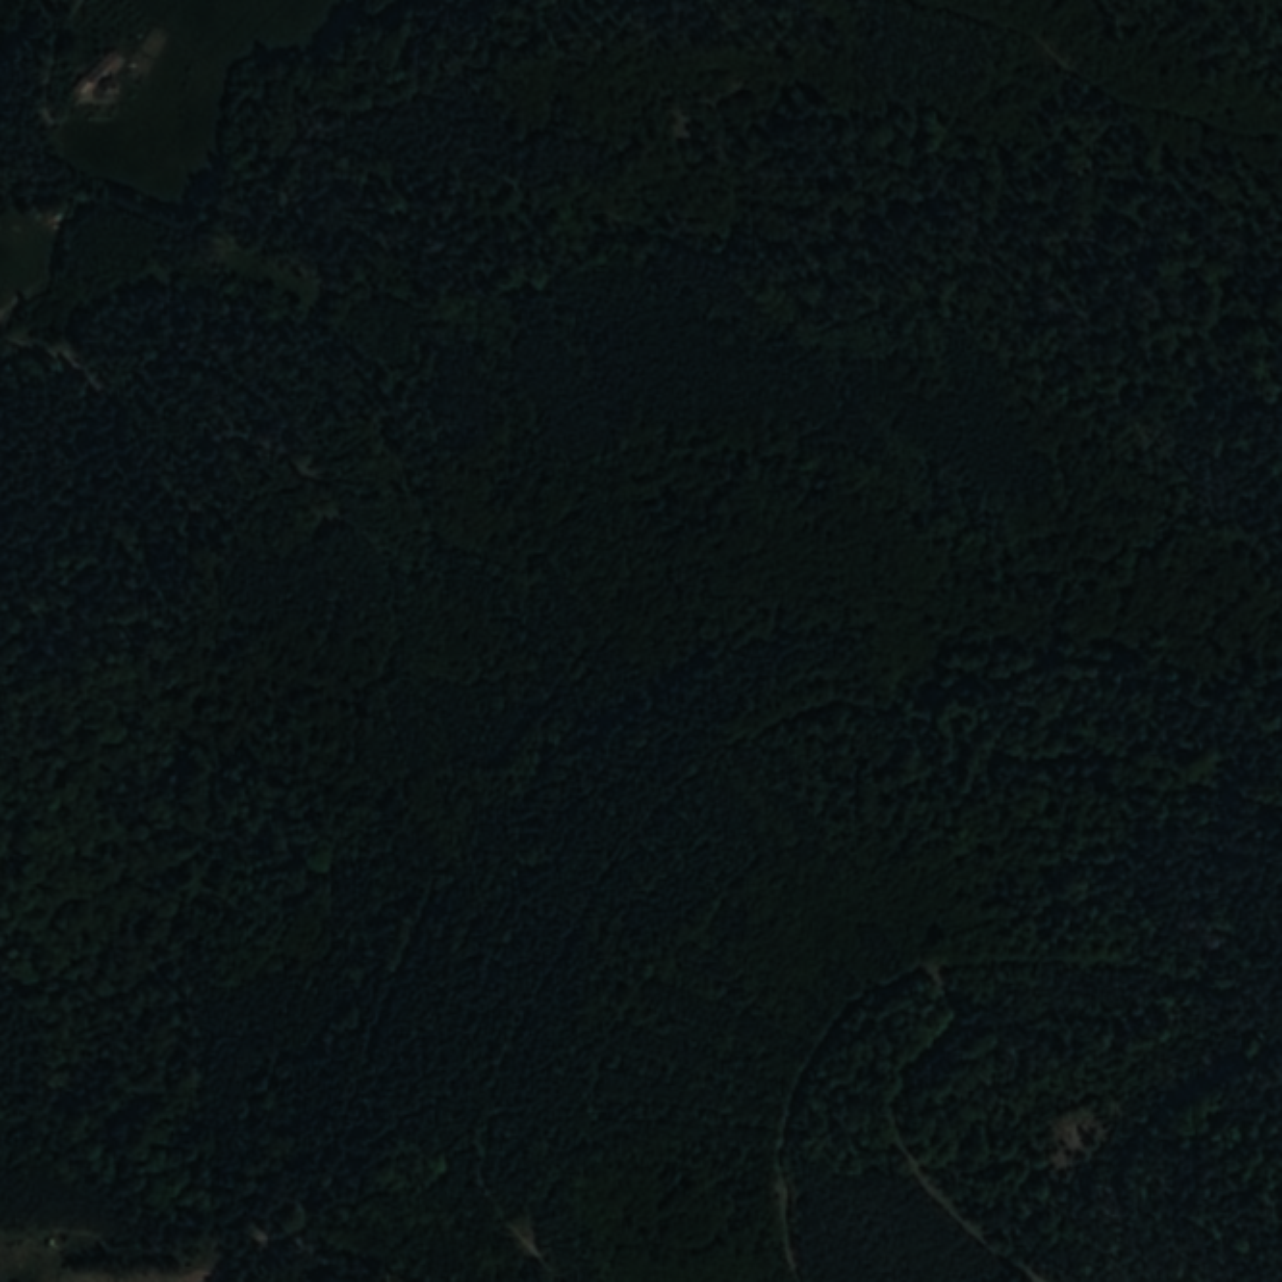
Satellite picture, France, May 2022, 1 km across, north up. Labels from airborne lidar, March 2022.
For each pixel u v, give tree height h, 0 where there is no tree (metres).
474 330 16
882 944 18
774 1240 13
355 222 19
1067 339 28
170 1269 24
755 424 21
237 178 21
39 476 36
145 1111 34
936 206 35
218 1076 23
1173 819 30
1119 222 39
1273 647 19
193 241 32
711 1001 13
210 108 0
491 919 23
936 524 33
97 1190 21
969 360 19
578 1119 18
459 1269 14
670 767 25
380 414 9
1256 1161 13
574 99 15
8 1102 28
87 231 16
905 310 14
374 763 16
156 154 0
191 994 18
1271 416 35
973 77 25
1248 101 18
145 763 37
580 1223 21
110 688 35
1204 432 31
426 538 12
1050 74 17
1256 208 17
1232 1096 28
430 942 26
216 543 40
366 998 25
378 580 16
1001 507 23
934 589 20
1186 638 20
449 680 16
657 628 15
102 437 32
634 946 21
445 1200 16
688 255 31
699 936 11
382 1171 22
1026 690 30
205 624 14
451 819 21
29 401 26
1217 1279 25
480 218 18
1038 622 18
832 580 23
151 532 34
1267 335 36
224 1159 23
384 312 19
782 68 11
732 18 34
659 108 11
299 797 22
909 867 21
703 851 22
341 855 13
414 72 22
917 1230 15
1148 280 42
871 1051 29
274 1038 21
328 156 25
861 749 16
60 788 30
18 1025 25
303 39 0
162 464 26
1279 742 35
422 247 25
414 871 23
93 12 0
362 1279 38
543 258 41
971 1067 28
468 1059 18
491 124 25
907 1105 15
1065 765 20
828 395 19
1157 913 35
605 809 24
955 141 16
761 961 18
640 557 12
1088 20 18
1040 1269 19
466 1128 20
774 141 23
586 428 24
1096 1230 25
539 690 17
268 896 31
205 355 27
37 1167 22
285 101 22
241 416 7
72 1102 37
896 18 23
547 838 27
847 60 20
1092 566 23
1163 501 9
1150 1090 8
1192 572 18
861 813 27
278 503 18
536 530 15
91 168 0
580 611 16
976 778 17
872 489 24
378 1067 22
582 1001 25
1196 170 38
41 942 29
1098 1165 12
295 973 19
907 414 16
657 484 19
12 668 31
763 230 25
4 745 32
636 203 17
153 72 0
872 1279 14
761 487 23
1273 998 29
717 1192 12
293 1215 22
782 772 15
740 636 27
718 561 22
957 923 14
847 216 37
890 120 30
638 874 21
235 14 0
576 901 23
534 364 22
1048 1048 31
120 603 35
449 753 15
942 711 30
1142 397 27
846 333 19
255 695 11
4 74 25
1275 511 28
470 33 31
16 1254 0
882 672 15
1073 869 32
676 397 22
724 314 15
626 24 35
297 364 10
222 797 29
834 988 13
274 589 24
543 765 33
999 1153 24
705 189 21
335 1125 23
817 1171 16
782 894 19
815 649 26
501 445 16
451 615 21
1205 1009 33
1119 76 20
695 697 28
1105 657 12
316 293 0
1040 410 9
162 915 18
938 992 19
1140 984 19
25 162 25
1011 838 15
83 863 30
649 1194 12
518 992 22
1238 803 33
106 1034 34
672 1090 13
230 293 20
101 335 25
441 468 19
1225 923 28
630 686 18
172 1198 27
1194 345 31
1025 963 19
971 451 19
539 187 32
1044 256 38
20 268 0
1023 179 41
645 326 19
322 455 11
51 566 36
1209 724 30
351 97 28
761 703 19
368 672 16
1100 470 20
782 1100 12
